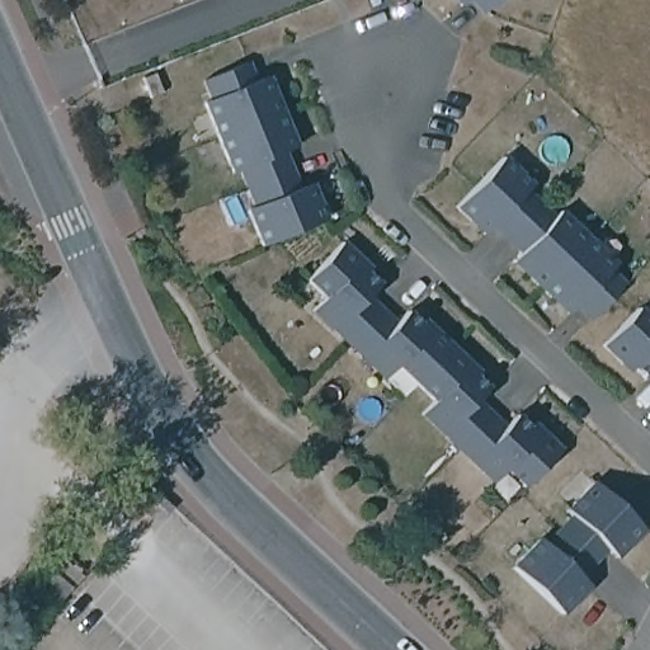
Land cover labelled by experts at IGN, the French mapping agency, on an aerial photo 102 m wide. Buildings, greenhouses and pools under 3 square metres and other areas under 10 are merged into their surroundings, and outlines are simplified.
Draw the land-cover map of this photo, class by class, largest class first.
<instances>
[{"label":"impervious surface","instance_id":"1","mask_svg":"<svg viewBox=\"0 0 650 650\"><path fill-rule=\"evenodd\" d=\"M300 0H198L180 10L152 18L142 25L124 28V33L96 41L91 48L89 43H81V53H41L36 48L38 41L20 10V0H0V213H8L20 229L33 226L36 231H41L46 236L43 259L51 264L46 269L48 284L41 289L38 302L23 300L20 295L8 289L10 277L0 264V584L5 579H15L23 571L28 556L43 546L38 513L43 510L48 498L71 495L76 485L71 480L74 465L71 460H61L56 454L61 439L53 432V424L46 419V411L56 406L58 396L63 401L76 396L81 404L91 406V434L102 432L104 421L114 424L117 432L127 434L129 444L147 447L157 457V467L142 470L140 477H152L165 503H157L150 513L140 515L137 521H119L117 526H107L102 533L94 536V541L102 546L114 538L117 546L129 554V561L119 571L102 576L89 574L91 561L74 554V566H69V574H63L56 581L61 594L69 597V604L56 617V625L38 642L36 650H454L452 640L442 637L439 630L421 620L416 609L419 604L404 602V597H394L391 592H386L378 584L381 579L373 574L371 566L353 561L348 548L338 546L279 488L272 485L274 472L262 470L256 462V439H244L241 444H236L216 427L221 421L218 409L226 404V399L198 396L196 371L185 363V358L178 355L168 333L145 289V277L132 254V241L145 236V221L140 218L122 183L99 185L94 180L91 168L79 147V137L74 135L71 117L79 109H84L94 104V99L89 96L91 86L102 89L104 84L129 76V66L160 63L165 58L183 53L185 48L211 43L216 38H229L234 30L254 28L267 20H277L287 13L300 10ZM477 15L472 5L462 8L452 10L447 20H434L429 13H424V0H396L394 10L361 20L355 23V28L335 25L305 41L295 38L289 48H279L264 56V61H269L267 76H277L287 96V104L297 99L289 91V69L297 66L302 58L312 61L310 76L320 81L317 96L322 104H328L330 117L335 122V129L328 132V140H317L312 135L315 129L307 114L297 109L292 119L305 140V170H325L333 178L335 173L353 175L361 198L371 201L368 216L381 229L401 241L399 251H404V256L396 262L399 277L388 287V295L401 305H414L419 300H434L437 292H447L470 320L480 322L503 345V350L513 355V363H508V381L500 386L498 399L508 406L510 416H523V409L543 404L546 391L554 388L559 399L571 404V414L576 419H584L589 414L597 427L614 437V442L637 460V475H650V373L640 381L632 383L637 396H630L620 401V406L609 404L564 361L561 353L566 350L574 340H579V328H584L592 320L584 312H569L561 322H554L551 328H543L536 330L503 297L495 295L493 279H500L503 274H510L508 264L513 259L515 249L508 239L485 234L482 239L472 241V249L465 251L462 256H457L424 221H419L409 211V198L421 180L434 175L442 155L452 147L457 122L465 117V109L470 104V94L452 91L447 81L460 51V36ZM206 114L198 117L193 129V142H201L203 147L198 150V155L203 163L211 165L226 163L234 173L241 168V160L231 157L229 152L231 142L223 140L226 124L216 122L211 102H203ZM221 213L231 229H236L239 223H254V193L246 190L223 198ZM165 292L178 302L190 328L208 366L218 371L226 383L234 386L241 401L300 444H302L310 434H315L317 427L305 414L297 411L295 416H282L279 411L264 406L246 386V381H241L218 358L211 338L203 322L188 302L185 289H180V284L175 282H165ZM391 378L394 386L404 394L414 391L419 381L409 371H396ZM427 482L432 488L414 493V503L424 505L427 518L437 523L447 536H452L449 541L454 546L472 536L482 541L495 528L500 513L523 503L531 495L533 485L515 482L510 477H490L462 449H457L454 444L447 447L427 467ZM427 564L439 569L444 579L460 587V592L482 614L475 627L480 632L490 630L493 622L503 625L505 609H490L485 599L462 574L454 571V559H442L434 551L427 554ZM627 554H620L617 561L607 556V576L602 584L594 587L592 594L594 602L602 599L607 609L617 612L630 625L632 645L627 650H650V576L640 581L637 576H632V571L625 566Z\"/></svg>","mask_w":650,"mask_h":650},{"label":"herbaceous vegetation","instance_id":"2","mask_svg":"<svg viewBox=\"0 0 650 650\"><path fill-rule=\"evenodd\" d=\"M66 3H69V8H71V15H69L66 20H61L53 38L38 41L36 48L41 53H81V43H89L91 48L96 41L124 33V28L142 25L152 18L180 10L198 0H66ZM300 10L287 13L277 20H267L254 28L234 30L229 38H216L211 43L185 48L183 53L165 58L160 63L129 66V76L104 84L102 89L91 86L89 96L94 99V104L84 109L86 117L96 122L102 117L117 119L122 112H135L137 122L142 124V135L150 140V145L142 147L147 173L165 175L168 183L157 193V203L168 211L170 221H180V244L185 249V256L193 262V269L206 272L208 277L213 274V279L226 289V295L244 315L249 328L259 335L264 348L295 378H310V371L317 368V363L325 355H330V350L338 343L325 330L328 322L310 302L297 305L292 300H282L274 295V287L282 279V274L307 262H315L317 267L340 241L322 226L312 231L302 229L300 236L284 241L259 244L254 223H239L236 229H231L221 213L223 198L246 190V183L234 173L226 163L211 165L203 163L198 155V150L203 147L201 142H193V129L198 117L206 114L203 102V94L211 89L208 79L213 71L249 53L264 56L279 48H289L295 38L305 41L335 25L355 28V23L361 20L394 10L396 0H300ZM150 76H160V84L165 89L160 96L152 99L145 96L150 91ZM452 10L462 8L460 0H424V13H429L434 20H447ZM546 38H554L556 43V61L546 66L541 74H526L521 69L505 66L495 61L490 53L495 43H513L526 46L533 56H538ZM452 91L470 94V104L465 109V117L457 122L452 147L442 155L434 175L421 180L409 198V211L419 221H424L457 256H462L465 251L457 246V241L449 239V234L439 223H434L416 206V198H429L434 208H439L472 241L482 239L485 234L467 211H457V201L467 196V190L490 170V165H505L510 155L518 165L528 170L531 178L541 180L543 185L548 180V170L556 173L561 183L581 198L579 203L566 206V211L576 216L581 226H587L594 236L607 241L617 239L622 249L630 246L627 234L612 231L602 223V216L617 201L642 196L640 206L630 216L637 218L635 234H650V0H505L498 5V10L477 15L460 36V51L447 81ZM551 137L566 140L569 157L551 163L546 168L538 160V155L543 152V145ZM353 229L358 234H363L386 259L396 262L404 256V251H399L401 241L381 229L371 231L366 221H355ZM510 274L526 292L536 289L538 282L536 277H528L523 272L521 262L513 259L508 264ZM650 300V267L635 277L632 287L622 297L612 300L609 312L592 320L584 328H579V340H574L566 350H576L584 361H589V366L612 376L617 386H622L630 396H637L632 383L640 381L637 368H627L625 361L612 350V333L632 310H645V302ZM414 310L421 317L437 320L449 338L460 340L467 348V353L477 363H482L488 381L500 386L508 381V363H498L475 338H467L462 325L442 310V302L434 300H419L414 305ZM178 355L185 358V363L196 371L198 396L226 399V404L218 409L221 421L216 427L236 444H241L244 439H256V462L262 470L274 472L272 485L279 488L338 546L348 548L358 531L368 526L391 523L399 505L394 500L386 503L383 498H366V493L358 485L343 490L335 488V477L348 467L345 452H355L358 457H363V462L376 465L378 488L394 480L396 488L414 493L432 488L427 482V467L447 447L449 434H444L432 421L429 414H421L427 399L419 391H414L404 394L394 386L391 378L376 381L368 373V366L363 363V355L350 348L322 378L312 381L305 396H320V404L340 419L338 439L315 434H310L302 444L325 467L315 477H297L292 472V454L300 444L241 401L234 386L226 383L218 371L208 366L190 328L183 333L170 328L168 333ZM218 358L241 381H246V386L264 406L279 411L282 401L287 399V391L274 378L272 368L262 361V355L251 348V343L244 335H236L229 343H218L216 338H211ZM523 416L546 424L551 432L559 434L561 442L571 447V452L561 457L533 485L531 495L523 503L500 513L495 528L482 541L480 554L470 559V569H475L482 576L495 574L500 579V597L485 599L490 609H505L503 625L493 622L490 630L495 632L500 650H627L632 645L630 625L617 612L607 609L602 599L594 602L592 594L574 609L556 614L515 574V566L523 564V559L541 543V538L554 526L571 521L569 503L564 498V485L574 477L587 475L599 485H607L612 493H617L635 508L642 523L650 528V475H637V460L614 442V437L597 427L589 414L584 419L581 432L574 437L566 424L559 421V416L551 414V406L543 404L523 409ZM625 566L632 571V576H637L640 581L650 576V531L627 554ZM378 584L386 592H391L394 597H404V602L419 604L427 581H386L381 579ZM416 609L421 620L439 630L442 637L452 640L460 637V632L467 625L460 607L452 602L447 592H442L439 599H432L429 604H419Z\"/></svg>","mask_w":650,"mask_h":650},{"label":"building","instance_id":"3","mask_svg":"<svg viewBox=\"0 0 650 650\"><path fill-rule=\"evenodd\" d=\"M462 8L472 5L477 15L498 10V5L505 0H460ZM269 61H264V56L249 53L213 71L208 79L211 89L203 94V102H211L216 122L226 124L223 140L231 142L229 152L231 157L241 160V168L234 173L246 183V190L254 193V223L259 244L284 241L300 236L302 229L312 231L322 226L330 221L333 213L343 211V198L333 178L325 170H305V140L292 119L297 109V99L287 104V96L277 76H267ZM165 89L160 84V76H150V91L145 96L152 99L160 96ZM457 211H467L485 234L508 239L515 249L513 259L521 262L523 272L528 277H536L538 282L543 287L541 310L548 312L554 322H561L569 312H584L592 320L609 312L612 300L622 297L632 287L635 277L630 267V246L622 249L617 239L607 241L594 236L587 226H581L576 216L566 211V206L546 208L543 185L541 180L531 178L528 170L518 165L510 155L505 165H490V170L467 190V196L457 201ZM399 277L396 262L386 259L363 234H353L348 244L340 241L317 267L307 279V292H312L310 302L328 322L325 330L338 343H345L350 348L363 355V363L368 366V373L376 381L391 378L396 371H409L419 381L414 391H419L427 399L421 414H429L432 421L444 434H449L447 447L454 444L457 449H462L490 477H510L515 482L533 485L561 457L571 452V447L561 442L559 434L551 432L546 424L523 416H510L508 406L498 399L500 386L488 381L482 363H477L467 353V348L460 340L449 338L437 320L421 317L414 310V305H401L388 295V287ZM612 350L625 361L627 368H637L640 381L650 373V300L645 302V310H632L612 333ZM564 498L569 503L571 521L554 526L541 538V543L523 559V564L515 566V574L556 614L574 609L592 594L594 587L602 584L607 576V556L617 561L620 554H627L650 531V528L642 523L635 508L617 493H612L607 485H599L587 475L574 477L564 485Z\"/></svg>","mask_w":650,"mask_h":650},{"label":"deciduous trees","instance_id":"4","mask_svg":"<svg viewBox=\"0 0 650 650\"><path fill-rule=\"evenodd\" d=\"M43 8H46V10H48V13H51L53 18H58V20H66L69 15H71V8H69V3H66V0H43ZM74 135L79 137V147L91 168L94 180L99 185L122 183L140 218L145 221V236L132 241V254L145 277V289L168 333L170 328L183 333L190 328L178 302L165 292V282H175L180 284V289H185L188 302L203 322L208 317H223L221 300L226 295V289L213 279V274L208 277L206 272L193 269V262L185 256V249L180 244V221H170L168 211L157 203V193L168 183L165 175L147 173L142 147L150 145V140L142 135V124L137 122L135 112H122L117 119L102 117L96 122L86 117L84 109H79L71 117ZM581 198L561 183L556 173L548 170V180L543 185L546 208L566 206L579 203ZM642 196L617 201L602 216V223L612 231L627 234L630 246V267L635 277L650 267V234H635L637 218L630 216L640 206ZM46 236L41 231H36L33 226L20 229L8 213H0V264L10 277L8 289L20 295L23 300L38 302L41 289L48 284L46 269L51 264L43 259ZM317 267L315 262H307L282 274V279L274 287V295L282 300H292L297 305L310 302L312 292H307V279ZM495 295L503 297L536 330L543 328V322L531 310H523L515 292L508 289L500 279H493ZM564 361L609 404L620 406V401L630 396L622 386H617L612 376L589 366V361H584L576 350H566L561 353ZM46 419L53 424V432L61 439L56 454L61 460H71L74 465L71 480L76 485L71 495L48 498L43 510L38 513L43 546L28 556L23 571L15 579H5L0 584V650H36L38 642L56 625V617L69 604V597L61 594L56 581L63 574H69V566H74V554L91 561L89 574L102 576L119 571L129 561V554L117 546L114 538L102 546L94 541V536L102 533L107 526H117L119 521H137L140 515L150 513L157 503H165L152 477H140L142 470L157 467V457L147 447L129 444L127 434L117 432L114 424L104 421L102 432L91 434V406L81 404L76 396L63 401L58 396L56 406L46 411ZM297 411L305 414L317 427L315 434L338 439L340 419L320 404V396H305L302 401L287 399L282 401L279 411L282 416H295ZM325 467L302 444H300L292 454V472L297 477H315ZM348 467L335 477V488L343 490L358 485L366 493V498H383L386 503L394 500L399 505L391 523L368 526L358 531L348 548L353 561L371 566L373 574L381 579L386 581L394 574L396 559H404L406 566H419L427 559V554L434 551L442 559H470L480 554L482 541L472 536L454 546L449 541L452 536H447L437 523L427 518L424 505L414 503V493L396 488L394 480L378 488L376 465L363 462V457H358L355 452H345ZM454 650H500L495 632L490 630L480 632L475 627L467 625L460 632V637L452 640Z\"/></svg>","mask_w":650,"mask_h":650},{"label":"brushwood","instance_id":"5","mask_svg":"<svg viewBox=\"0 0 650 650\"><path fill-rule=\"evenodd\" d=\"M20 10L38 41L53 38L61 20H58V18H53L51 13H48V10H46V8H43V0H20ZM556 43L554 38H546L538 56H533L526 46L513 43H495L490 53L495 61L505 66L521 69L526 74H541L546 66L556 61ZM312 61L302 58L297 66L289 69V91L297 99V109L307 114L315 129L312 135L317 140H328V132L335 129V122L330 117L328 104H322L317 96L320 81L310 76ZM343 198V211L333 213L330 221L322 226L340 241L348 244L353 234H358L353 229L355 221H366L371 231L381 229L368 216L371 201L361 198L353 175L335 173L333 178ZM416 206L434 223H439L449 234V239L457 241V246L465 251L472 249V241L439 208H434L429 198H416ZM508 289L515 292L523 310H531L543 322V328H551L554 322L548 312L541 310L543 287L538 282L536 289L526 292L510 274H503L500 279ZM434 300L442 302V310L462 325L467 338H475L498 363H513V355L503 350V345L480 322L470 320L447 292H437ZM223 317H208L203 322L211 338H216L218 343H229L236 335H244L251 343V348L262 355V361L272 368L274 378L287 391V399L302 401L305 396L312 381L322 378L350 348L345 343H338L330 350V355H325L317 363V368L310 371V378H295L264 348L259 335L249 328L244 315L226 295L221 300ZM543 404L551 406V414L559 416V421L566 424L574 437L581 432L584 419H576L571 414V404L559 399L554 388L546 391ZM427 581L419 604H429L432 599H439L442 592H447L452 602L460 607L467 625L475 627L482 614L460 592V587L444 579L439 569L427 564V559L419 566H406L404 559H396L394 574L386 581ZM470 559H454V571L462 574L485 599L500 597V579L495 574L482 576L475 569H470Z\"/></svg>","mask_w":650,"mask_h":650},{"label":"swimming pool","instance_id":"6","mask_svg":"<svg viewBox=\"0 0 650 650\"><path fill-rule=\"evenodd\" d=\"M569 157L566 140L551 137L543 145V152L538 155V160L546 168L551 163Z\"/></svg>","mask_w":650,"mask_h":650}]
</instances>
